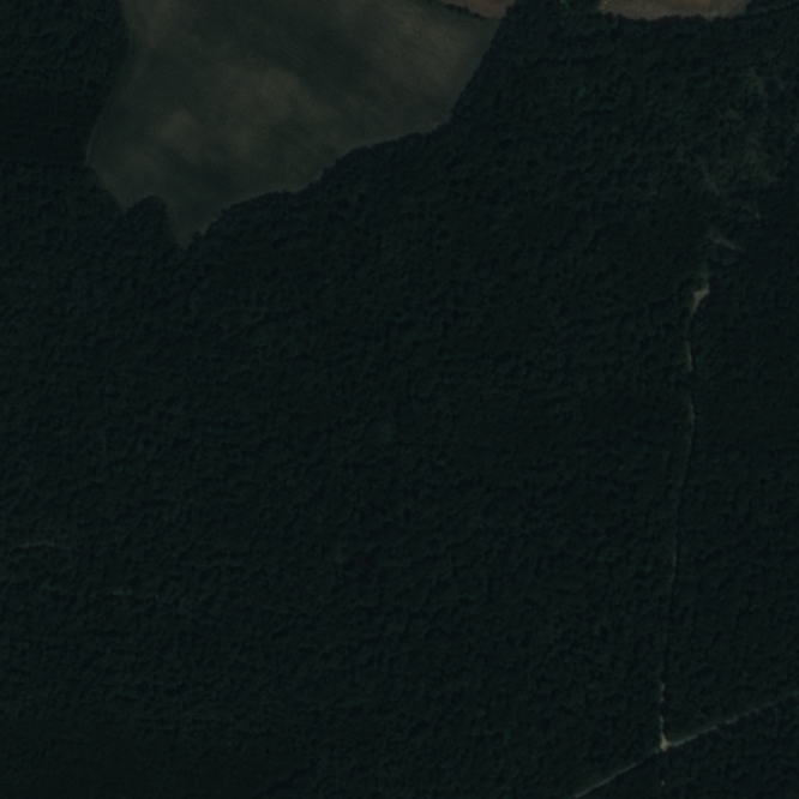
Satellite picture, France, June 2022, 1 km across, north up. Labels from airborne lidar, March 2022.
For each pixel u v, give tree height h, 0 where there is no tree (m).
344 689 20
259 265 8
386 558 24
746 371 20
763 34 24
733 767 24
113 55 22
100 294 19
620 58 20
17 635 20
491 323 24
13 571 15
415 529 22
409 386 17
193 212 0
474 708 24
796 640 20
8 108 13
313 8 0
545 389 21
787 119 21
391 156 15
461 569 21
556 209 11
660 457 23
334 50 0
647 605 21
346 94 0
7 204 15
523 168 21
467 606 24
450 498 25
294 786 20
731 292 19
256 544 21
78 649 19
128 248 16
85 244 16
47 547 9
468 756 21
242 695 20
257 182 0
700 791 20
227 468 10
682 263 15
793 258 24
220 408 16
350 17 0
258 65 0
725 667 22
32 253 17
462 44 0
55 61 14
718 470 25
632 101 18
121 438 19
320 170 0
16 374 18
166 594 24
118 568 22
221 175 0
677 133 14
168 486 19
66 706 15
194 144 0
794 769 23
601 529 18
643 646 23
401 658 22
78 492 22
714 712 20
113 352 19
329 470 19
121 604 24
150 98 0
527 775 23
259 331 18
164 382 18
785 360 21
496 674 23
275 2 0
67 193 21
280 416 16
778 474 25
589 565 28
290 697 23
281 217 20
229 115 0
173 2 0
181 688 21
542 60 19
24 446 16
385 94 0
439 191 25
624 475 22
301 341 20
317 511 22
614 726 22
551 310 14
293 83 0
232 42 0
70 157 16
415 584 21
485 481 18
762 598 20
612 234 23
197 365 20
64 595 22
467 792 23
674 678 20
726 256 24
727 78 16
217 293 14
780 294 20
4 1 20
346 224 23
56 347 17
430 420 21
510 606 22
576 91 20
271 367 10
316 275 23
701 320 15
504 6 0
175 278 17
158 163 0
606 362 25
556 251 22
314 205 21
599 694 23
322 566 19
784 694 18
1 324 18
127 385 17
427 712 23
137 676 20
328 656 21
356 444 18
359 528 20
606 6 0
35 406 20
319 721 21
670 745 0
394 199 21
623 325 24
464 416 21
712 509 23
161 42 0
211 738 17
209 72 0
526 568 24
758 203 21
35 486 22
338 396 20
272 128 0
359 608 22
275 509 20
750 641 19
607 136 21
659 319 18
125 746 8
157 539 20
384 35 0
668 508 22
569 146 22
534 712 22
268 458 20
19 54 12
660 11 0
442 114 0
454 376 19
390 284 9
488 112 22
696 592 19
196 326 21
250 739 15
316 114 0
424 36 0
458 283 22
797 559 22
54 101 15
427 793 18
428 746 19
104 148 0
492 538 24
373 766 20
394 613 24
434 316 19
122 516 19
